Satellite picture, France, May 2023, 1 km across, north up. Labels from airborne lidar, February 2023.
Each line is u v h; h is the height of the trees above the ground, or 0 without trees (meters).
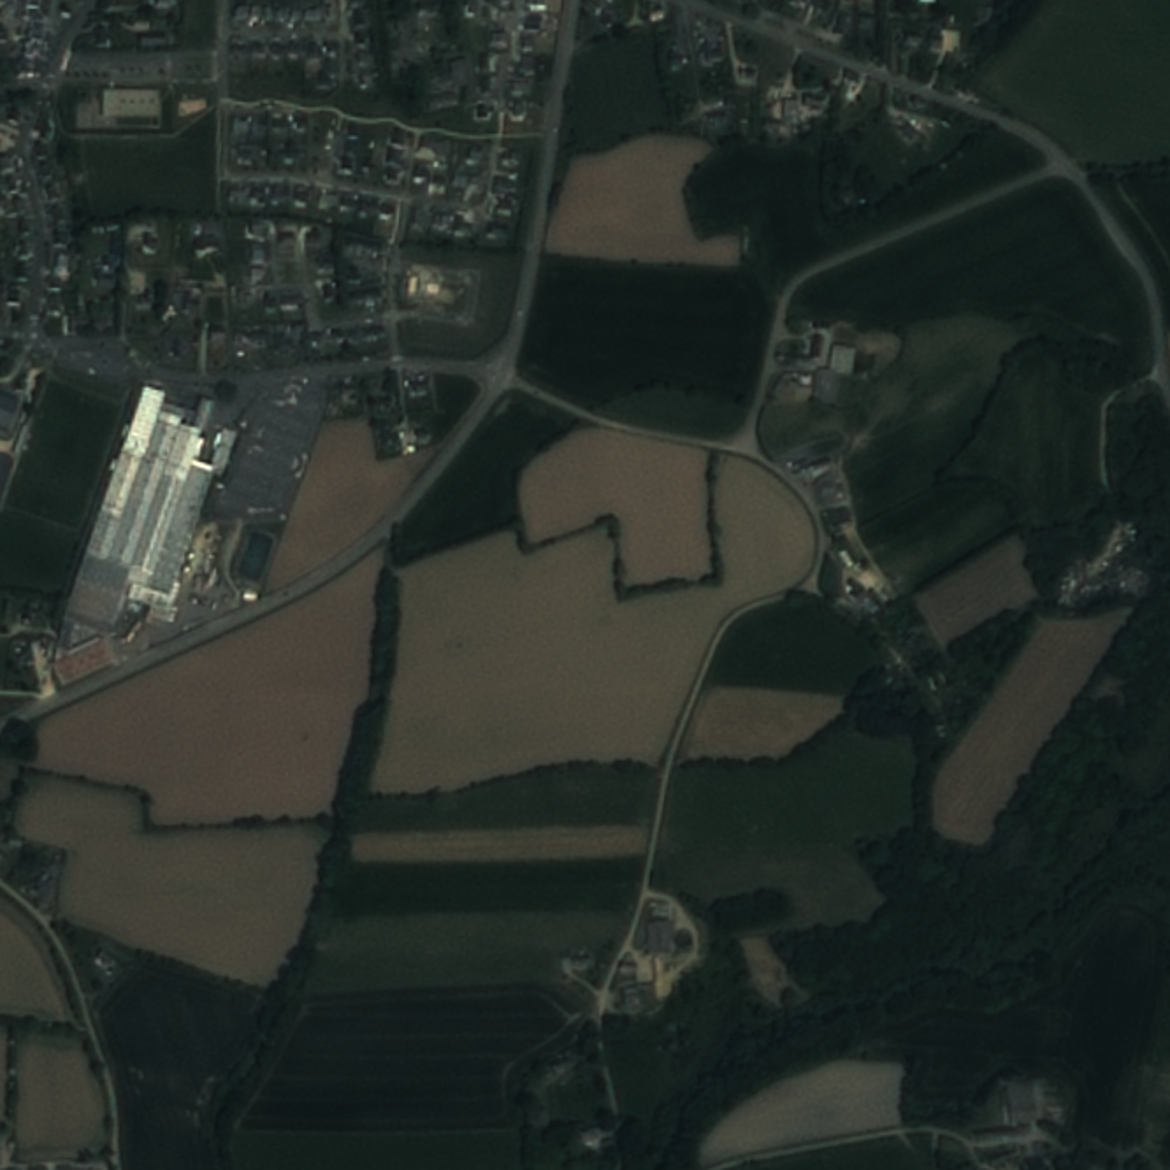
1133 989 0
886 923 16
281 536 0
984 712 0
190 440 0
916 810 7
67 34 0
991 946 12
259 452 0
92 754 0
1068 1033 0
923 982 22
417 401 0
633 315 0
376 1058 0
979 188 0
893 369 0
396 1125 0
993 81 0
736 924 17
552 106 0
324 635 0
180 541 0
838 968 19
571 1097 0
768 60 0
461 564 0
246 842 0
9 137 0
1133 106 0
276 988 13
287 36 0
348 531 0
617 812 0
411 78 15
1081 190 0
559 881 0
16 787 12
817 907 0
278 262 0
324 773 0
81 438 0
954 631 0
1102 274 0
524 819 0
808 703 0
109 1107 0
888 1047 0
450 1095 0
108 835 0
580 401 0
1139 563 6
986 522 0
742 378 0
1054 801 16
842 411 0
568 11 0
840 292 0
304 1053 0
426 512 0
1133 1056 0
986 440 0
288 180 0
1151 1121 0
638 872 0
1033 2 14
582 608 0
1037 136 0
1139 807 8
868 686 17
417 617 0
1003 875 7
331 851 14
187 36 0
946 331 0
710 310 0
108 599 0
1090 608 7
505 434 0
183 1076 0
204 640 0
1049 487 0
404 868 0
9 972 0
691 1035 6
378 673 8
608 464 0
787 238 0
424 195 0
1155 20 0
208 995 0
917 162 0
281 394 0
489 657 0
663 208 0
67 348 0
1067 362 8
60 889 0
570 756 0
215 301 0
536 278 0
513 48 0
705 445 0
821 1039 24
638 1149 17
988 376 0
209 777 0
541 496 0
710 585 8
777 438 0
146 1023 0
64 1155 0
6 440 0
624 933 0
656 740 0
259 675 0
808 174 0
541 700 0
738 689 0
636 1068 0
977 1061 0
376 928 0
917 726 20
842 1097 0
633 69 0
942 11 14
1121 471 9
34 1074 0
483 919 0
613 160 0
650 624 0
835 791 0
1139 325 0
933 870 18
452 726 0
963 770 0
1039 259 0
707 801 0
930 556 0
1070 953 0
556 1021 0
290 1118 0
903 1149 0
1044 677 0
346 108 0
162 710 0
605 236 0
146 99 0
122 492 0
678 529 0
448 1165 0
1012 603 0
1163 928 0
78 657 0
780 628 0
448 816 0
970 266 0
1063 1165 12
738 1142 0
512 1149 0
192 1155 0
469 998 0
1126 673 14
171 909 0
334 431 0
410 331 0
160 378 0
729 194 0
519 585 0
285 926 0
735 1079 20
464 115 0
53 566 0
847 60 0
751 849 0
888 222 0
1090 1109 0
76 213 9
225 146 0
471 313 0
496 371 0
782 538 0
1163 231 0
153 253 0
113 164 0
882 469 0
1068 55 0
